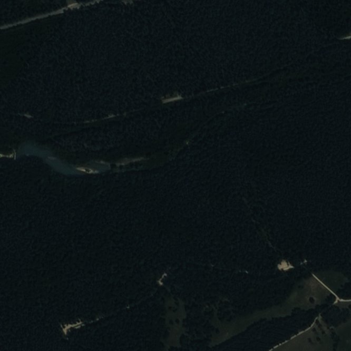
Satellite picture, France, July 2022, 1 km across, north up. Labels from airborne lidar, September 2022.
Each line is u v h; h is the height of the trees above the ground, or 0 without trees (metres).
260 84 12
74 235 27
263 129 29
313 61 24
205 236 26
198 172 29
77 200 24
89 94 24
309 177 28
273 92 15
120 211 28
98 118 19
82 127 6
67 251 23
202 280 26
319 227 27
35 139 14
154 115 25
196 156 29
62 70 18
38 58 27
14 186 22
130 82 8
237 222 28
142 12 31
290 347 0
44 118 24
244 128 20
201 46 34
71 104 8
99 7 26
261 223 16
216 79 32
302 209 33
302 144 27
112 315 22
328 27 6
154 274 23
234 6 27
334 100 33
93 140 11
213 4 32
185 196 32
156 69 32
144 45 29
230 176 30
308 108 23
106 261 25
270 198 29
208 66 28
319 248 25
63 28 33
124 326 24
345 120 33
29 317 28
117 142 22
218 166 33
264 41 34
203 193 30
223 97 27
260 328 16
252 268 27
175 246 31
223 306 16
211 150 31
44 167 23
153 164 6
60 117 22
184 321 15
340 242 27
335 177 26
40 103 33
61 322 32
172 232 24
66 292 24
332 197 26
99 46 35
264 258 27
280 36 36
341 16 12
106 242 25
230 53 38
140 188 30
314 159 28
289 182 24
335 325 20
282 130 32
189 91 31
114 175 24
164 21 32
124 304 18
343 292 15
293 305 0
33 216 26
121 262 24
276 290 18
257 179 29
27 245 32
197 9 34
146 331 23
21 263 32
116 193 28
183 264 24
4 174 22
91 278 25
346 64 19
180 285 21
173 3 28
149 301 24
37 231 29
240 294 21
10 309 29
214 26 33
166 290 23
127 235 26
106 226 31
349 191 32
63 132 6
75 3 0
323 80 13
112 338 22
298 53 24
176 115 22
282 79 13
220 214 35
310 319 12
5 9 11
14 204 22
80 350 24
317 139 26
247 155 29
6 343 29
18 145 13
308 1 14
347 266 27
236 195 30
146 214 27
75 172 0
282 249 25
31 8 7
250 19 33
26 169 32
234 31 12
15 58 6
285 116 27
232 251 29
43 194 19
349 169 28
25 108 26
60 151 19
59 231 21
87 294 24
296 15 36
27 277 25
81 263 27
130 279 24
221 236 30
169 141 14
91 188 23
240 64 28
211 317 25
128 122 28
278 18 32
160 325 22
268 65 24
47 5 6
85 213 24
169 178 24
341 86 21
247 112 15
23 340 27
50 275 24
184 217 28
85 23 32
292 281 13
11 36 8
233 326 0
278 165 29
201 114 22
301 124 29
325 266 18
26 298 26
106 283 21
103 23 38
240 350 16
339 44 32
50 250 22
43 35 6
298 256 24
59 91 26
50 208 25
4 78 7
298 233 23
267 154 35
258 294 19
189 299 18
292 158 26
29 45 7
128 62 22
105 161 16
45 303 27
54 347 29
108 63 30
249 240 29
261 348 15
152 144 14
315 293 0
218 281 27
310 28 34
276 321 13
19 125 22
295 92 19
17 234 37
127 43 26
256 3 32
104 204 26
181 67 31
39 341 34
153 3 12
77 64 25
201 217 30
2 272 29
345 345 0
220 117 15
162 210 30
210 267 23
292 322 17
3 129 14
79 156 13
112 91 28
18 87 24
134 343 26
